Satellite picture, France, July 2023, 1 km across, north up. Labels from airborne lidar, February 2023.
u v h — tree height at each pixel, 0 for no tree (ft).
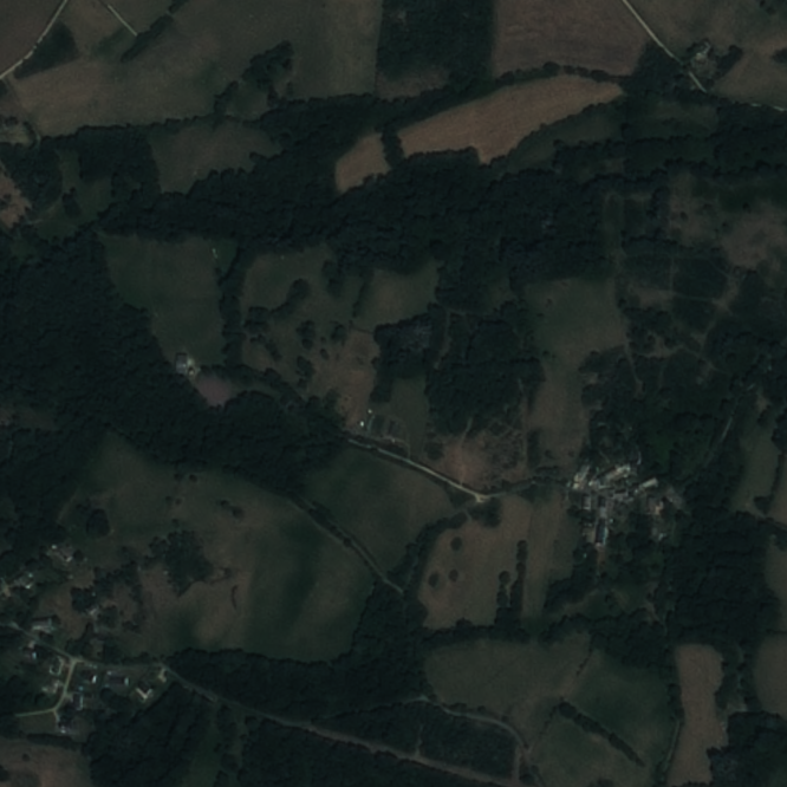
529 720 0
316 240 61
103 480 0
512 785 0
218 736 0
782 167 41
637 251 63
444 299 48
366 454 0
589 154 46
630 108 37
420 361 25
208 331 0
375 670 37
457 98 52
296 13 0
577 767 0
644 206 0
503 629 53
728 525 57
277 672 51
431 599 0
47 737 48
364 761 68
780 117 28
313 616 0
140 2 0
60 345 32
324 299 0
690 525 27
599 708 0
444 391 44
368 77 0
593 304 0
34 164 48
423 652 58
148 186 63
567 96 0
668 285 0
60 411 29
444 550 0
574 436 0
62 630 0
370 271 52
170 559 20
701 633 54
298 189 20
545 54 0
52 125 0
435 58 27
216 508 0
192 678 56
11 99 0
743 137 67
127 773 46
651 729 0
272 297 0
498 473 0
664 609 45
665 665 36
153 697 0
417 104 38
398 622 51
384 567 0
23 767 0
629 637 31
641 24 0
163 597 0
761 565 50
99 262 57
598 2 0
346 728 45
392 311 0
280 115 55
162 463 50
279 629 0
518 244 57
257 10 0
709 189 0
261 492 0
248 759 53
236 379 59
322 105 40
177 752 50
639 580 33
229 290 62
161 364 72
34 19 0
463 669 0
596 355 31
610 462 0
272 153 0
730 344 70
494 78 0
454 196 61
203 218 65
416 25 21
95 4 0
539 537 0
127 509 0
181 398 46
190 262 0
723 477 53
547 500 0
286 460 59
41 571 31
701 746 0
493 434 0
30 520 62
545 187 56
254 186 23
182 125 41
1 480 48
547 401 0
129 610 0
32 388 26
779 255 0
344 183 0
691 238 0
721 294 0
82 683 0
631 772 0
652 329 43
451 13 32
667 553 36
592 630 38
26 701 50
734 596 68
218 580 0
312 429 57
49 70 0
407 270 22
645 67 24
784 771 0
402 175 70
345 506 0
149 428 35
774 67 0
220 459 48
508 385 38
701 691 0
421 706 26
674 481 17
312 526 0
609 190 61
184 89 0
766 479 0
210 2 0
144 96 0
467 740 31
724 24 0
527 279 78
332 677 51
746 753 32
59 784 0
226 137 0
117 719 49
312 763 39
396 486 0
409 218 63
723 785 24
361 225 75
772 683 0
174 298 0
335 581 0
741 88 0
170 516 0
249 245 76
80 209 76
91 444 55
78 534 0
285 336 0
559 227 26
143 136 45
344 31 0
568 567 0
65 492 51
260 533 0
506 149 0
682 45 0
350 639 0
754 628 56
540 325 0
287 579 0
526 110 0
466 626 62
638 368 27
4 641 41
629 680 0
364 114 31
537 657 0
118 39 0
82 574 0
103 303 52
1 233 70
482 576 0
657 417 31
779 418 0
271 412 39
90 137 74
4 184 0
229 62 0
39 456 41
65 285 58
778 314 0
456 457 0
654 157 0
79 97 0
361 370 0
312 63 0
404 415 0
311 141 55
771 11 42
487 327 51
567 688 0
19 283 72
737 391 56
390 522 0
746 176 31
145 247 0
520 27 0
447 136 0
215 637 0
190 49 0
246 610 0
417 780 40
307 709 67
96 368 32
